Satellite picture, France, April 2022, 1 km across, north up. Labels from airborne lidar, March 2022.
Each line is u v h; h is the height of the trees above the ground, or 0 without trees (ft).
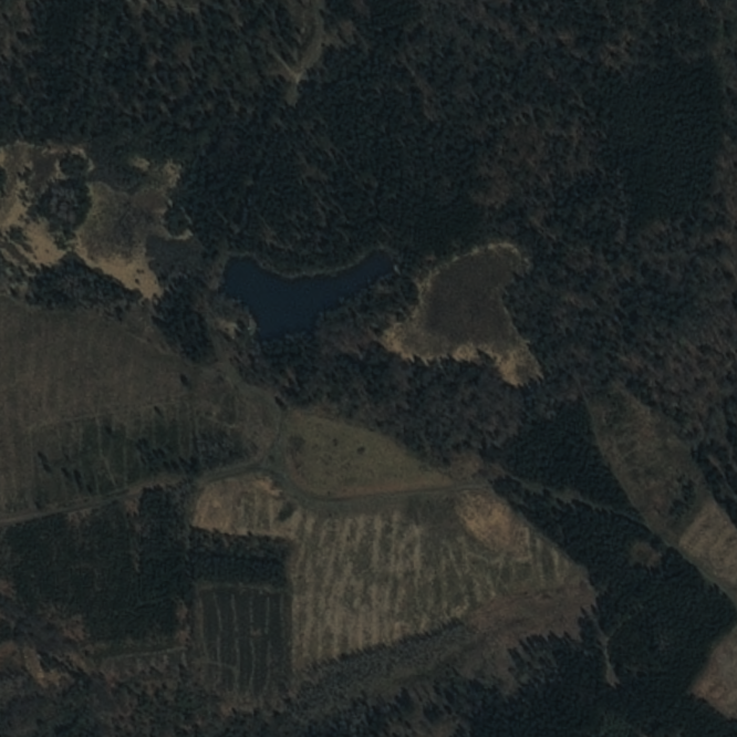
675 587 81
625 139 58
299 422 0
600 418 0
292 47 78
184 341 81
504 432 37
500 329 0
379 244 31
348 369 84
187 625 23
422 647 94
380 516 0
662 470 0
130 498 0
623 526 77
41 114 80
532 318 48
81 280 54
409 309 33
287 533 0
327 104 74
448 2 59
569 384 52
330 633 0
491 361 58
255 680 0
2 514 0
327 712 85
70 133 47
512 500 64
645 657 21
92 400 0
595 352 51
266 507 0
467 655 0
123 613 25
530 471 46
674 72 69
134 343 0
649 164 80
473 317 0
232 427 0
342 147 84
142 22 40
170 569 34
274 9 97
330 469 0
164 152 32
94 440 0
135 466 0
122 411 0
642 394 69
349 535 0
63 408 0
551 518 77
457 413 37
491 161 39
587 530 80
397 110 70
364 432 0
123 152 50
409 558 0
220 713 62
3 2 52
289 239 63
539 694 60
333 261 73
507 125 22
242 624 0
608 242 52
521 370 0
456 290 0
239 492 0
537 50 77
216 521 0
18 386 0
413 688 0
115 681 33
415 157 73
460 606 0
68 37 61
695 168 83
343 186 87
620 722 49
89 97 51
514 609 0
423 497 0
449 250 46
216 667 0
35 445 0
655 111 55
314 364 71
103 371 0
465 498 0
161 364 0
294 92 0
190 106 63
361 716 80
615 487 87
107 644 32
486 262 0
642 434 0
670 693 36
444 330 0
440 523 0
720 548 0
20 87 71
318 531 0
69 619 22
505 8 44
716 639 47
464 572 0
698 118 83
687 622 58
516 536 0
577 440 71
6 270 77
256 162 78
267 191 76
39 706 83
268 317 0
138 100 66
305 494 0
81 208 45
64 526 21
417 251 33
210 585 58
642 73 81
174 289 0
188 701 35
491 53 56
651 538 90
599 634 77
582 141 24
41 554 23
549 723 69
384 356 51
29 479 0
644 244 44
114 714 62
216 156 83
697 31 85
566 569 0
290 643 0
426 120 76
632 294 119
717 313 80
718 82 55
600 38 85
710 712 38
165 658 0
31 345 0
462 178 68
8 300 0
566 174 32
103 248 0
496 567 0
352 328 73
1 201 0
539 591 0
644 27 69
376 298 65
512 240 40
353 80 69
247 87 90
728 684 0
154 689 37
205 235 77
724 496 64
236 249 55
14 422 0
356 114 81
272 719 17
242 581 69
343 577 0
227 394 0
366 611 0
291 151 71
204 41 84
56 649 83
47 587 21
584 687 73
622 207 86
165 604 27
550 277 65
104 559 28
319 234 79
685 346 86
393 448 0
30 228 0
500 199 47
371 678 87
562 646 88
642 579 75
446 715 30
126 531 23
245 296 0
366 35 75
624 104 65
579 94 82
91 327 0
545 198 66
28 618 71
